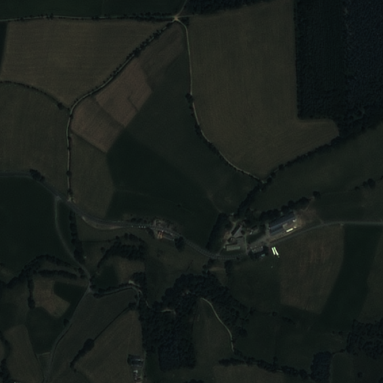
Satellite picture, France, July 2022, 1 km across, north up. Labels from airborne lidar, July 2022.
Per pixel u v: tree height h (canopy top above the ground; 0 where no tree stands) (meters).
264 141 0
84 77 0
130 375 0
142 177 0
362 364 0
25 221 0
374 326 6
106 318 0
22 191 0
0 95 0
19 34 0
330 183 0
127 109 0
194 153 0
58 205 0
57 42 0
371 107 21
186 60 0
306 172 0
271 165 0
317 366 30
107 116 0
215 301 12
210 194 0
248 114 0
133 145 0
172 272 0
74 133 0
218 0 24
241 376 0
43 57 0
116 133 0
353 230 0
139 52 13
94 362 0
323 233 0
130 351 0
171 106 0
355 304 0
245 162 0
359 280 0
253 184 0
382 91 11
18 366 0
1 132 0
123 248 12
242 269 0
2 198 0
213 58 0
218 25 0
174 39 0
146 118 0
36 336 0
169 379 0
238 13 0
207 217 0
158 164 0
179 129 0
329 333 0
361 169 0
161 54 0
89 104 0
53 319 0
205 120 0
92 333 0
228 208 0
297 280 0
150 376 0
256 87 0
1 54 0
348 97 23
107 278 0
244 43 0
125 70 0
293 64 0
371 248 0
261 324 0
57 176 0
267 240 0
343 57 7
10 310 0
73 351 0
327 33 7
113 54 0
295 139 0
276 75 0
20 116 0
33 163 0
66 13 0
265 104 0
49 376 0
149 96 0
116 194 0
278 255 0
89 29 0
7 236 0
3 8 0
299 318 0
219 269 0
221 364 13
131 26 0
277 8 0
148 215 0
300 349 0
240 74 0
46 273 16
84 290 0
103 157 0
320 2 7
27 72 0
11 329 0
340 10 6
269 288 0
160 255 0
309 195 0
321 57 8
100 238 0
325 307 0
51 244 0
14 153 0
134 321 0
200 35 0
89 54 0
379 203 0
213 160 0
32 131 0
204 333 0
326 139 0
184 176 0
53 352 0
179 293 11
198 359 0
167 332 12
